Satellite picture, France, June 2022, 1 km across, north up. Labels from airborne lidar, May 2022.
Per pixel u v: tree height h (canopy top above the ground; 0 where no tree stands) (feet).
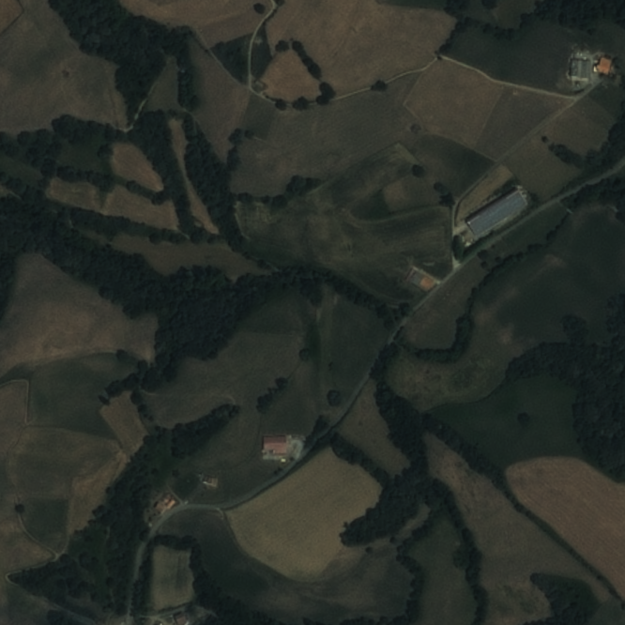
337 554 0
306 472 0
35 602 0
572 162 56
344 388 0
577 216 0
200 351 51
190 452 78
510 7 0
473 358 0
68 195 0
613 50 0
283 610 0
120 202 0
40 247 46
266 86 0
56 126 56
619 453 71
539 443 0
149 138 52
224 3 0
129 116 21
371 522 54
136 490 27
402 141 0
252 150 0
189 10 0
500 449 0
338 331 0
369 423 0
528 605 0
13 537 0
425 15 0
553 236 35
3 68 0
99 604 0
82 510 0
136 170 0
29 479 0
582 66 0
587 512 0
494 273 38
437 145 0
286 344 0
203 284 117
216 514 0
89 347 0
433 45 0
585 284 0
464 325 62
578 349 43
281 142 0
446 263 0
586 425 41
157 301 70
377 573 0
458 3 62
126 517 59
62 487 0
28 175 0
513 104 0
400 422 60
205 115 0
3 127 0
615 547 0
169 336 68
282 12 0
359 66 0
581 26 79
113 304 30
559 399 0
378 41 0
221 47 33
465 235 0
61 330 0
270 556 0
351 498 0
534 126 0
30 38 0
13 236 62
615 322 62
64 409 0
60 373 0
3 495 0
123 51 62
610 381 28
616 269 0
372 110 0
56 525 0
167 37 53
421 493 65
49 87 0
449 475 0
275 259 0
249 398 0
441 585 0
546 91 0
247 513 0
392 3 0
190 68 71
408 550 27
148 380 80
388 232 0
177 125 0
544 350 35
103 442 0
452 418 0
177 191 54
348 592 0
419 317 0
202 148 30
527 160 0
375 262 0
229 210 69
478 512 0
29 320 0
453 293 0
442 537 0
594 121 0
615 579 0
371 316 0
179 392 0
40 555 0
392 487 62
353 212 0
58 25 0
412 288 0
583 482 0
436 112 0
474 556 44
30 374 0
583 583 0
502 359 0
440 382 0
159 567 0
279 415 0
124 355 52
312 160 0
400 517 62
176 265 0
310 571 0
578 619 46
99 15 87
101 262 82
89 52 54
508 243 0
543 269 0
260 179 0
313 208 0
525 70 0
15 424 0
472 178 0
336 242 0
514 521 0
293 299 0
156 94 0
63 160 0
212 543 0
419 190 0
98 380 0
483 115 0
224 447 0
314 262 0
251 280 23
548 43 0
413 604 52
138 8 0
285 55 0
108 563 23
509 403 0
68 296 0
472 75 0
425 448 46
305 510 0
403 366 0
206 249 0
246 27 0
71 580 74
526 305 0
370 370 0
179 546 55
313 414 0
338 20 0
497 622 0
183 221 54
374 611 0
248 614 26
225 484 0
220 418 65
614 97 0
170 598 0
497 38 34
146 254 0
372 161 0
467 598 0
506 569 0
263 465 0
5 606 0
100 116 0
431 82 0
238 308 51
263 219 0
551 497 0
